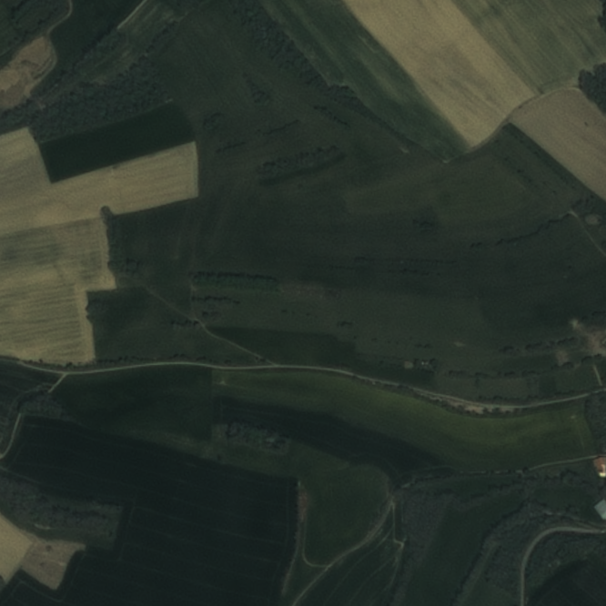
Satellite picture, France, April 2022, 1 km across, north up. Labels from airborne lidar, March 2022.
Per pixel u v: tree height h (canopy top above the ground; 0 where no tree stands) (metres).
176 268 0
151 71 17
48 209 0
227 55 0
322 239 0
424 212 0
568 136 0
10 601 0
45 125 13
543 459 0
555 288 0
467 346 0
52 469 0
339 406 0
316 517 0
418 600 0
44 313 0
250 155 0
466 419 0
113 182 0
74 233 0
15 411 0
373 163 0
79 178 0
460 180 0
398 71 0
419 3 0
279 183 0
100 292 0
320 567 0
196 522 0
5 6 0
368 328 0
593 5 0
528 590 0
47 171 0
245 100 0
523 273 0
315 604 0
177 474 0
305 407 0
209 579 0
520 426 0
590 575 0
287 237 0
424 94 0
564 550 13
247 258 0
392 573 0
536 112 0
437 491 0
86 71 18
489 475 9
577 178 0
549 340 0
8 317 0
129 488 0
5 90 0
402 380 0
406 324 0
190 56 0
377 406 0
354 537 0
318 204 0
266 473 0
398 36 0
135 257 0
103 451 0
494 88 0
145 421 0
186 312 0
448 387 0
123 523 0
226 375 0
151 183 0
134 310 0
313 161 16
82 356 0
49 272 0
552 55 0
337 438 0
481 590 0
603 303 0
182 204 0
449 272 0
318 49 0
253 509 0
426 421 0
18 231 0
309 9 0
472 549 0
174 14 0
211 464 0
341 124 9
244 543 0
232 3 6
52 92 10
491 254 0
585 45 0
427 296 0
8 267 0
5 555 0
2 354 0
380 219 0
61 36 0
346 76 0
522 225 0
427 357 0
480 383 7
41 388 0
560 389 0
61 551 0
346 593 0
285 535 0
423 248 0
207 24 0
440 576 0
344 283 0
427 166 0
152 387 0
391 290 0
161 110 0
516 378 12
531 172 0
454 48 0
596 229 0
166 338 0
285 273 0
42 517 22
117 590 0
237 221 0
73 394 0
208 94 0
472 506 15
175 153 0
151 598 0
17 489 22
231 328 0
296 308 0
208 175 0
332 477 0
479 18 0
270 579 0
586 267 0
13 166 0
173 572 0
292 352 0
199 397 0
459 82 0
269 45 8
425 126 0
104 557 0
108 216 18
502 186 0
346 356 0
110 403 0
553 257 0
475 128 0
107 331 0
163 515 0
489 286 0
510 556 7
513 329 0
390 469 0
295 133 0
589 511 0
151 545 0
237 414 0
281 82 0
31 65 0
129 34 0
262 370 0
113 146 0
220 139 0
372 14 0
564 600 0
